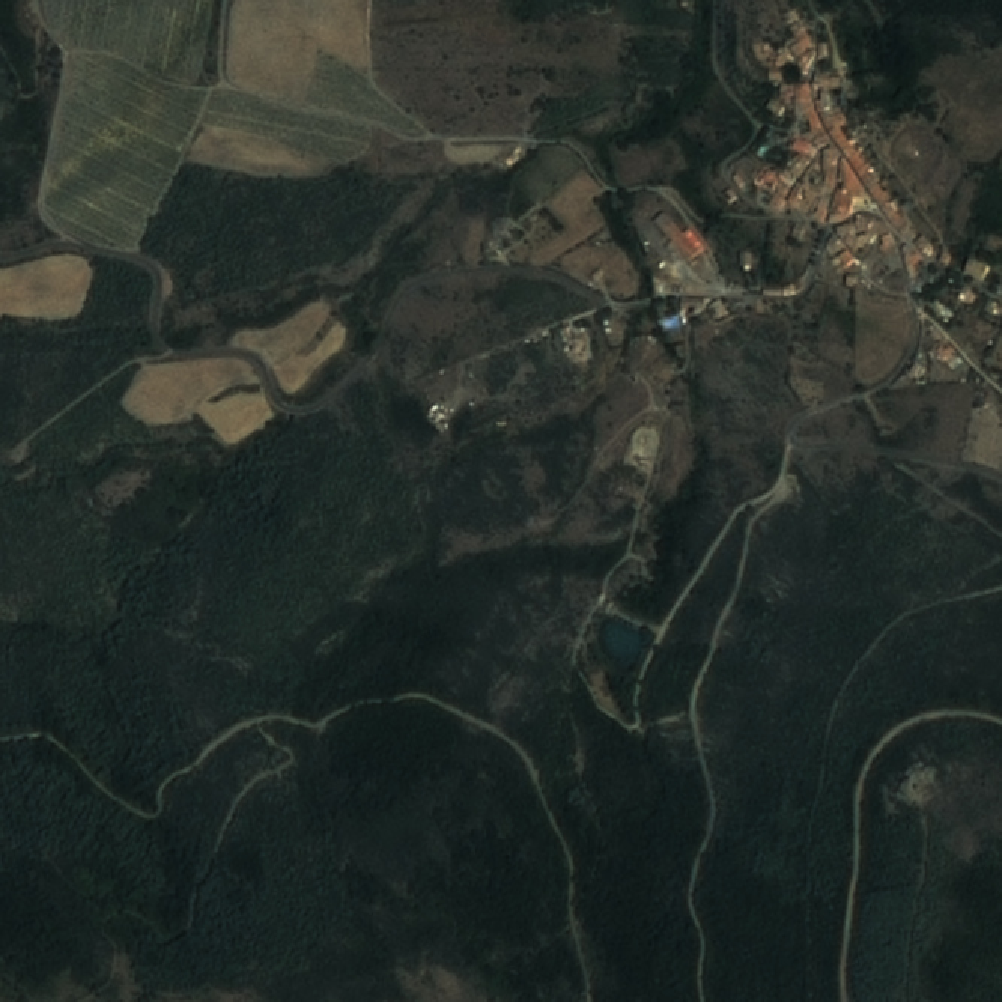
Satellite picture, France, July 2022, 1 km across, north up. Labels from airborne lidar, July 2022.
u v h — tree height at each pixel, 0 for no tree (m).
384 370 0
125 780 14
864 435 0
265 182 6
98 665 7
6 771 11
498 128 0
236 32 0
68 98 0
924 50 0
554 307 0
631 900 10
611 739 7
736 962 7
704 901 7
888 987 7
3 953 7
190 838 6
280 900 6
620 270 0
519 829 10
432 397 0
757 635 6
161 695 6
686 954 9
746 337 0
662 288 0
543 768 8
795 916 6
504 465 0
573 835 9
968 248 7
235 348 0
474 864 11
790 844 8
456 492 0
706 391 0
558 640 0
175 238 6
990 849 10
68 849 9
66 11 0
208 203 6
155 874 11
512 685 0
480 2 0
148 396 0
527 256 0
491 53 0
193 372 0
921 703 8
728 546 0
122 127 0
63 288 0
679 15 0
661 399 0
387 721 10
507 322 0
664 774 7
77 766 14
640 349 0
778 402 0
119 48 0
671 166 0
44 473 8
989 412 0
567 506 0
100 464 8
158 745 9
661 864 10
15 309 0
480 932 8
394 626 7
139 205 0
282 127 0
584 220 0
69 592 5
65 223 0
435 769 9
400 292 0
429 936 6
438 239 0
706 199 0
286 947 9
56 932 6
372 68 0
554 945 7
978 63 0
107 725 7
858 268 0
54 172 0
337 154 0
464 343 0
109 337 10
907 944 8
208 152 0
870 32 10
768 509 0
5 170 0
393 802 8
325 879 9
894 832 6
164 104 0
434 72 0
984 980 7
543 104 7
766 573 0
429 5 0
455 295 0
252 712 6
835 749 5
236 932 8
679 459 0
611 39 0
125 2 0
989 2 9
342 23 0
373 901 7
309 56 0
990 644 0
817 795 8
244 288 6
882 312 0
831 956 6
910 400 0
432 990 0
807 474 0
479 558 6
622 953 12
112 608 7
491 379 0
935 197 0
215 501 7
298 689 7
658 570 8
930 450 0
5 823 6
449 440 0
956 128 0
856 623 6
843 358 0
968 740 6
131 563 10
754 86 7
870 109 7
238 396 0
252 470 9
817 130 0
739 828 7
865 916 8
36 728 7
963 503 0
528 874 10
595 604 0
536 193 0
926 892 7
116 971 0
